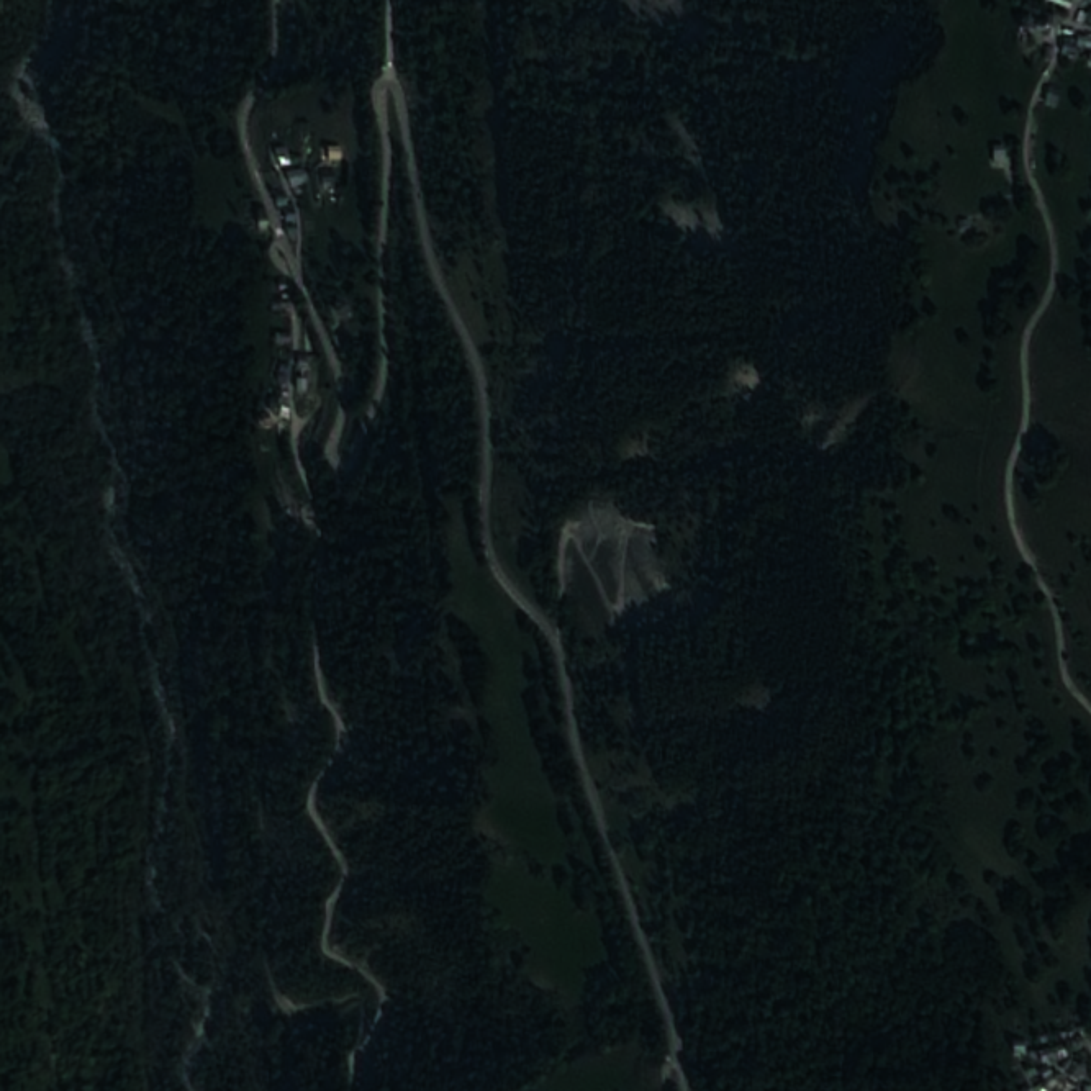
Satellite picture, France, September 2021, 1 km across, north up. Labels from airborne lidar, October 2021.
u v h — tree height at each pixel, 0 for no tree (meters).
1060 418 0
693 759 16
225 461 12
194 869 11
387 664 10
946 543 0
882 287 21
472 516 14
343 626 22
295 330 0
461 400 10
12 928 11
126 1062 21
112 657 11
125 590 12
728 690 19
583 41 24
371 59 16
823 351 13
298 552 22
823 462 17
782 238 15
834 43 16
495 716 0
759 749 14
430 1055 21
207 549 27
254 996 15
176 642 9
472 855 13
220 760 30
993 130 0
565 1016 12
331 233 0
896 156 0
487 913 16
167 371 20
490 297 11
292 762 19
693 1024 22
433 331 21
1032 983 17
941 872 19
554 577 10
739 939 8
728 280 20
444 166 8
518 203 12
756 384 0
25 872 7
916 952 21
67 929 12
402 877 12
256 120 0
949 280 0
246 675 24
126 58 13
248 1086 16
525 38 25
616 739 13
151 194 22
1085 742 17
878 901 14
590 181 10
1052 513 0
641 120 16
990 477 0
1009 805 0
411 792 21
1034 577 14
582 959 0
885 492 10
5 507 18
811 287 19
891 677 15
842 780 18
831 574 17
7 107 18
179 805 15
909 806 16
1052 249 0
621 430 17
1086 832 0
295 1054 19
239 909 13
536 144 17
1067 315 0
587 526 0
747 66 18
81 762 25
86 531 15
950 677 0
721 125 23
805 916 18
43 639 25
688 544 6
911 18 14
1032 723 9
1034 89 0
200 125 18
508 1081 12
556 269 11
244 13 20
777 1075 18
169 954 13
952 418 0
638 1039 22
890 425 15
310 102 0
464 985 15
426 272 9
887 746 15
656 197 21
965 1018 24
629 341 5
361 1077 6
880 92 11
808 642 16
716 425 18
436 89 14
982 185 0
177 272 27
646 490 7
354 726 12
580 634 7
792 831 20
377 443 17
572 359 20
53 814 15
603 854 19
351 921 6
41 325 24
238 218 15
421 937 10
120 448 19
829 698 20
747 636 11
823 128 15
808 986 24
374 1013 0
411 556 9
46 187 7
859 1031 16
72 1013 11
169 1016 15
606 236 15
